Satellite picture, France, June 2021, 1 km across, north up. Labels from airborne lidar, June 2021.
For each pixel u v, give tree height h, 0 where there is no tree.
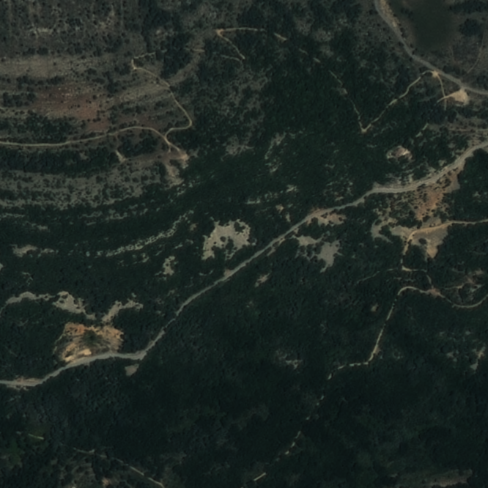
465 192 11
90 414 14
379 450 6
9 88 0
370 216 9
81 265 8
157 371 11
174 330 21
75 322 7
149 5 8
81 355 0
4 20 6
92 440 19
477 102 0
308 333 10
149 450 13
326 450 11
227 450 8
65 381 10
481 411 14
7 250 7
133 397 13
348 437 8
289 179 6
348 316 7
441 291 7
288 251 9
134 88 0
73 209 6
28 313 7
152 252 8
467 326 6
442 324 7
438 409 11
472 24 10
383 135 5
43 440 7
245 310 8
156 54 8
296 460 12
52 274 8
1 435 10
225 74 6
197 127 6
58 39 0
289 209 7
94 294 17
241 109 5
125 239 7
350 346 11
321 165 7
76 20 7
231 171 8
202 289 12
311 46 6
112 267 6
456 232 13
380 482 11
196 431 21
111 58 0
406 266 7
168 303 8
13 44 0
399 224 6
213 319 7
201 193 8
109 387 16
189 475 10
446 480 0
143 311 7
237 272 7
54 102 0
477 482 14
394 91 7
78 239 6
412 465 7
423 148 8
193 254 8
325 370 13
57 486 8
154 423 11
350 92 8
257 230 16
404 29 8
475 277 7
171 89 6
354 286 9
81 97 0
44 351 9
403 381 10
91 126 0
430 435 14
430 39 0
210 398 13
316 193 11
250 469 8
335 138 7
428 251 0
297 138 7
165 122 0
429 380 15
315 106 9
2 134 0
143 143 7
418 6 0
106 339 0
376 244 6
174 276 6
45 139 6
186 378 13
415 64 0
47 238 8
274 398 13
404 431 6
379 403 15
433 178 0
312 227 10
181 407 12
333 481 6
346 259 6
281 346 6
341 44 7
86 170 7
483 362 8
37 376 7
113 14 0
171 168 0
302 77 7
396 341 9
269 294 10
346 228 10
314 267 16
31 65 0
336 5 9
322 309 9
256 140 6
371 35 6
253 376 11
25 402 15
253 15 8
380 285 9
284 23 7
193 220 7
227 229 0
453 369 11
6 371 12
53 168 8
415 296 7
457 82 0
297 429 13
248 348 14
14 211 7
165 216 8
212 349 11
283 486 10
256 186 6
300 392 7
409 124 7
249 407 13
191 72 0
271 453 15
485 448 17
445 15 0
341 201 6
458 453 13
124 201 8
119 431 15
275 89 7
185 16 0
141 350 14
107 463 8
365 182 9
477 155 10
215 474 11
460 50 0
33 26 0
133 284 7
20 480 7
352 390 21
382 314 9
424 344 7
